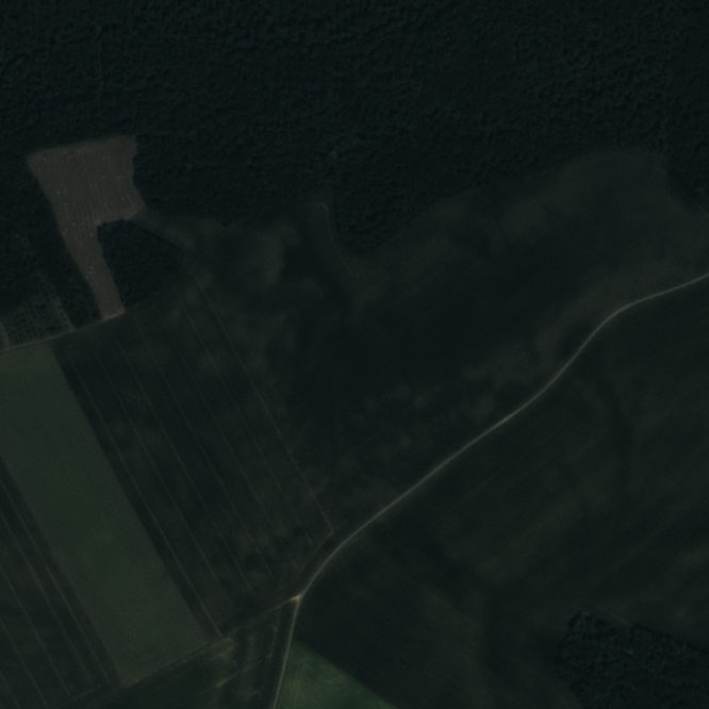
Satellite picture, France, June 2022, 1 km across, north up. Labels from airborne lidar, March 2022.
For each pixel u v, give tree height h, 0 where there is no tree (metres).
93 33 16
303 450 0
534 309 0
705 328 0
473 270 0
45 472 0
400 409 0
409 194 22
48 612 0
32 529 0
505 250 0
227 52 23
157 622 0
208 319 0
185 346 0
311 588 0
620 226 0
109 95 16
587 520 0
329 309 0
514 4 15
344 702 0
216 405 0
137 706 0
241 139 14
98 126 17
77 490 0
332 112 14
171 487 0
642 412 0
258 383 0
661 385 0
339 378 0
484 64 20
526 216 0
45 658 0
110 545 0
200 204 18
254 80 21
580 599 0
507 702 0
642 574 0
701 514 0
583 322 0
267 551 0
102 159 0
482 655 0
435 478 0
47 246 17
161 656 0
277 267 0
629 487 0
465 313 0
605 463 0
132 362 0
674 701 15
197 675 0
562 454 0
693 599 0
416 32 19
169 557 0
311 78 17
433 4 17
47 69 7
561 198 0
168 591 0
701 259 0
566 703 0
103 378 0
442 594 0
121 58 13
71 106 18
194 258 0
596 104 20
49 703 0
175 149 16
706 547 0
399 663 0
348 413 0
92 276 0
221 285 0
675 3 21
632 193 0
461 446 0
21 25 22
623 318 0
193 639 0
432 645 0
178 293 0
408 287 0
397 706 0
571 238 0
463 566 0
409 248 0
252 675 0
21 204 19
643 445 0
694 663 17
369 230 17
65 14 6
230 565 0
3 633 0
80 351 0
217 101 21
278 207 0
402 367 0
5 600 0
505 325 0
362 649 0
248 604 0
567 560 0
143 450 0
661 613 0
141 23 19
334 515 0
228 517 0
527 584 0
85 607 0
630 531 0
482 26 15
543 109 18
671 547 0
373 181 19
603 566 0
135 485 0
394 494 0
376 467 0
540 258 0
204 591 0
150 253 22
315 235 0
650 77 21
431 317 0
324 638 0
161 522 0
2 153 22
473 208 0
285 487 0
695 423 0
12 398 0
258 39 15
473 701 0
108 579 0
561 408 0
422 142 23
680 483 0
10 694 0
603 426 0
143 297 14
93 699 0
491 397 0
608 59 9
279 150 26
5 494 0
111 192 0
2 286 7
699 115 18
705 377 0
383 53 18
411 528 0
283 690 0
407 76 21
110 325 0
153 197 7
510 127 15
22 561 0
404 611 0
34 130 20
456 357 0
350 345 0
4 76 15
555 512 0
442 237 0
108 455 0
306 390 0
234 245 0
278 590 0
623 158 0
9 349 0
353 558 0
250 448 0
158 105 20
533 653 0
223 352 0
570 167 0
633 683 20
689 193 0
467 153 25
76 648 0
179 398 0
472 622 0
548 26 14
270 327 0
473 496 0
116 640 0
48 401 0
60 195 0
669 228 0
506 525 0
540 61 16
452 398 0
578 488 0
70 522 0
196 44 20
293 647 0
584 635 19
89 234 0
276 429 0
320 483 0
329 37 13
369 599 0
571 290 0
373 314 0
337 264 0
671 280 0
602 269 0
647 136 19
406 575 0
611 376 0
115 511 0
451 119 23
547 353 0
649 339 0
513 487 0
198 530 0
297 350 0
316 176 18
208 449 0
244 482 0
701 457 0
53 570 0
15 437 0
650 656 14
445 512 0
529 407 0
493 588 0
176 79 21
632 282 0
